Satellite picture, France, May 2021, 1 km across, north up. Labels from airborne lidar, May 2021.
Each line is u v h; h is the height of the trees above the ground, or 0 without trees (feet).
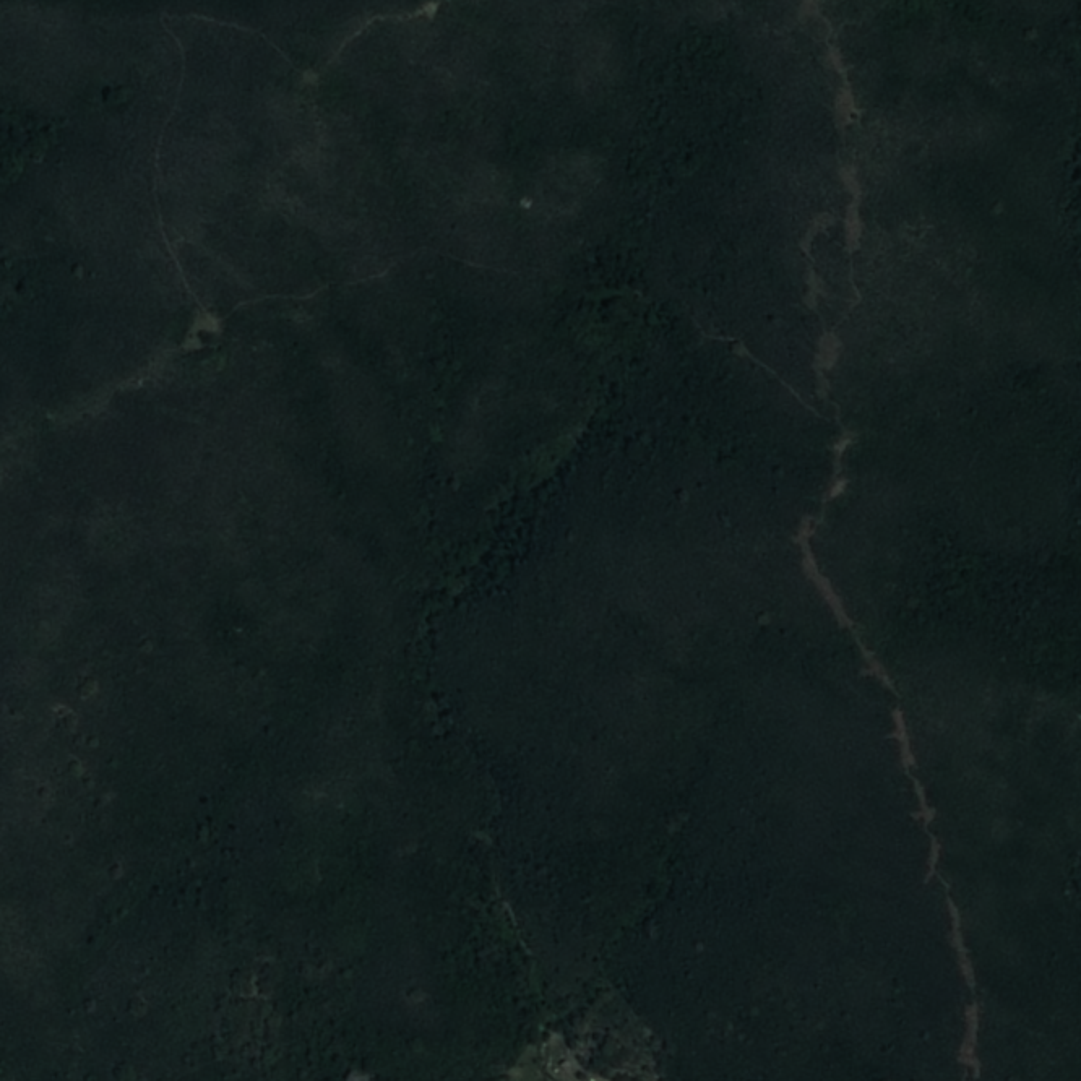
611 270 58
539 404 18
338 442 22
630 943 22
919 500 18
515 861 24
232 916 22
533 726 20
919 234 23
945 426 17
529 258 23
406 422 24
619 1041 21
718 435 18
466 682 22
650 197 45
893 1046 34
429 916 27
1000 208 45
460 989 35
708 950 20
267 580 20
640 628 18
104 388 0
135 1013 30
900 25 19
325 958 27
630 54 20
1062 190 22
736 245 29
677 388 19
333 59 0
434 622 63
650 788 21
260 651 21
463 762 29
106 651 29
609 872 30
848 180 0
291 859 22
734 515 18
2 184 33
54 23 0
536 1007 23
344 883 21
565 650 18
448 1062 18
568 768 20
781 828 17
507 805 59
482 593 33
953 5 24
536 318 21
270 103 0
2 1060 23
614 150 21
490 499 21
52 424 20
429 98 19
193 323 0
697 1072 17
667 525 19
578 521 18
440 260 20
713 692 22
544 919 25
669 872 27
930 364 19
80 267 29
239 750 18
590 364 42
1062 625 31
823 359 0
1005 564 44
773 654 18
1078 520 46
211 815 27
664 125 23
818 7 0
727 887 22
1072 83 21
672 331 35
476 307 21
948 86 19
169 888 20
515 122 19
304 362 24
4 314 37
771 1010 19
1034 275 22
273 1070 44
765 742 18
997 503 19
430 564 40
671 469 19
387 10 0
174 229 0
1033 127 21
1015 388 27
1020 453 22
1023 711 17
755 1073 22
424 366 29
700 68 28
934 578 39
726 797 17
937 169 21
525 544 31
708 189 20
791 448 19
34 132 47
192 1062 36
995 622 25
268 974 47
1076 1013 19
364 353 23
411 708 28
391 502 22
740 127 27
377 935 20
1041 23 22
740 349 33
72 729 29
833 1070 20
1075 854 33
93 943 46
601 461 20
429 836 17
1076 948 19
